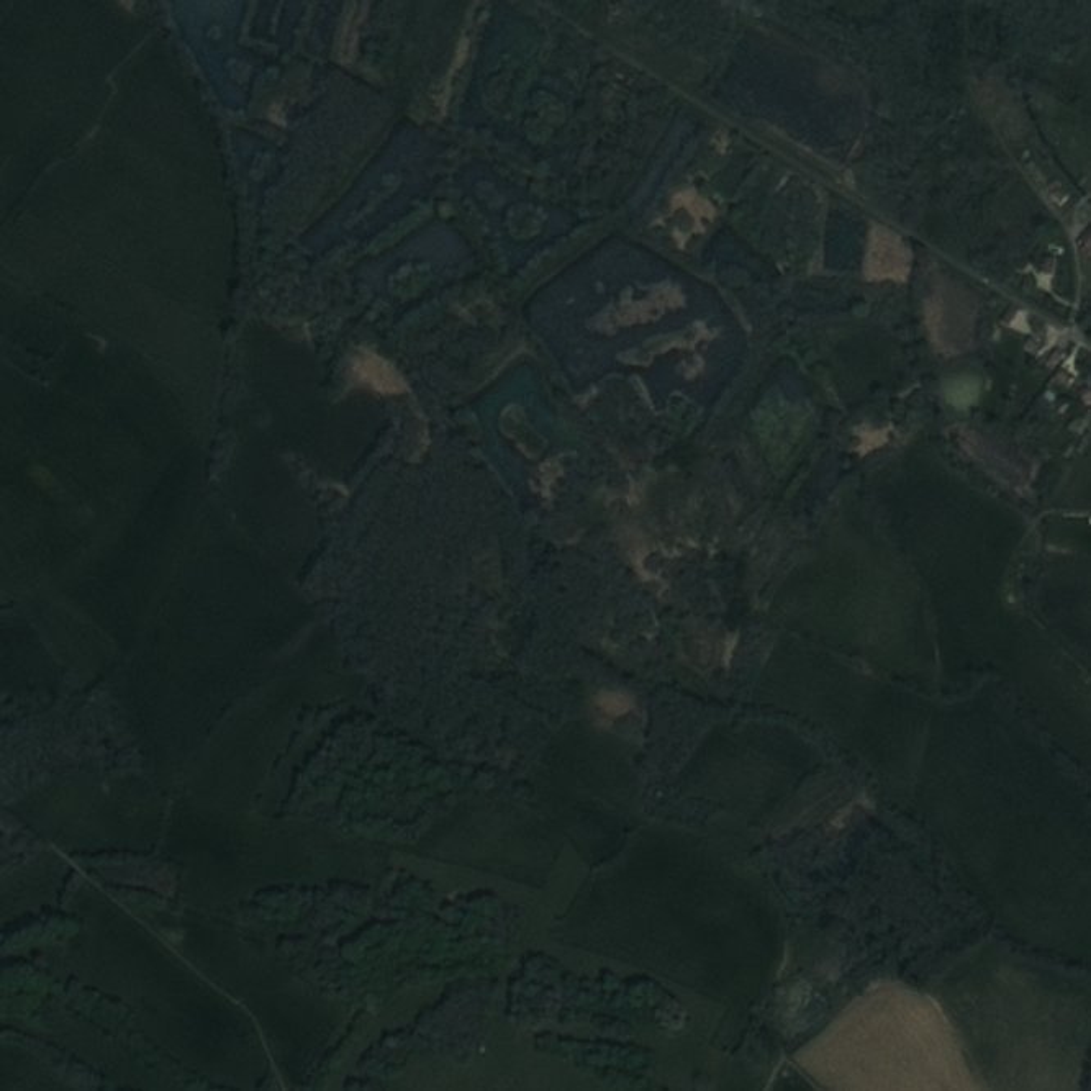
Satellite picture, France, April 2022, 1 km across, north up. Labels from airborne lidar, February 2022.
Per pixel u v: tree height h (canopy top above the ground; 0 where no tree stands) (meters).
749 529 0
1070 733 0
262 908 7
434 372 19
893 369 0
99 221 0
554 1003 18
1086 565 0
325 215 0
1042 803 0
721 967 0
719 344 0
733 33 20
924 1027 0
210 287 0
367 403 0
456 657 14
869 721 0
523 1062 0
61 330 0
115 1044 8
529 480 0
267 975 0
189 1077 8
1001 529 0
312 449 0
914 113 24
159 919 0
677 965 0
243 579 0
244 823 0
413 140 0
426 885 7
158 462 0
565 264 0
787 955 0
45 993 13
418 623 23
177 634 0
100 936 0
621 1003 16
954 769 0
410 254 0
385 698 21
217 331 0
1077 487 0
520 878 0
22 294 0
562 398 17
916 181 10
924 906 26
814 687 0
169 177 0
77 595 0
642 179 0
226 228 0
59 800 0
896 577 0
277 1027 0
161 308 0
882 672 0
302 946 10
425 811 8
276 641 0
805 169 0
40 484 0
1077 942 0
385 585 22
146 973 0
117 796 0
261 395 0
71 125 0
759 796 0
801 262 6
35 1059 0
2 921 0
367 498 24
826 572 0
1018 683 0
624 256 0
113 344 0
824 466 0
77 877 13
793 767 0
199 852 0
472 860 0
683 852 0
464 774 14
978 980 0
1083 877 0
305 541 0
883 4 0
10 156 0
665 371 0
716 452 0
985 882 0
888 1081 0
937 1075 0
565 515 18
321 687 0
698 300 0
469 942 16
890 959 17
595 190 18
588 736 0
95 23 0
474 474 22
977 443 0
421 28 0
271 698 0
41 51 0
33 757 23
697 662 0
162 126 0
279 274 16
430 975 18
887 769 0
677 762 19
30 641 0
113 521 0
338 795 18
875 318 16
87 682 0
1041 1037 0
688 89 0
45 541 0
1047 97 21
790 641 0
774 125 0
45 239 0
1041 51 21
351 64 0
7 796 25
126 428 0
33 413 0
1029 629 0
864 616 0
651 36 0
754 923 0
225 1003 0
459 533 25
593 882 0
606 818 0
